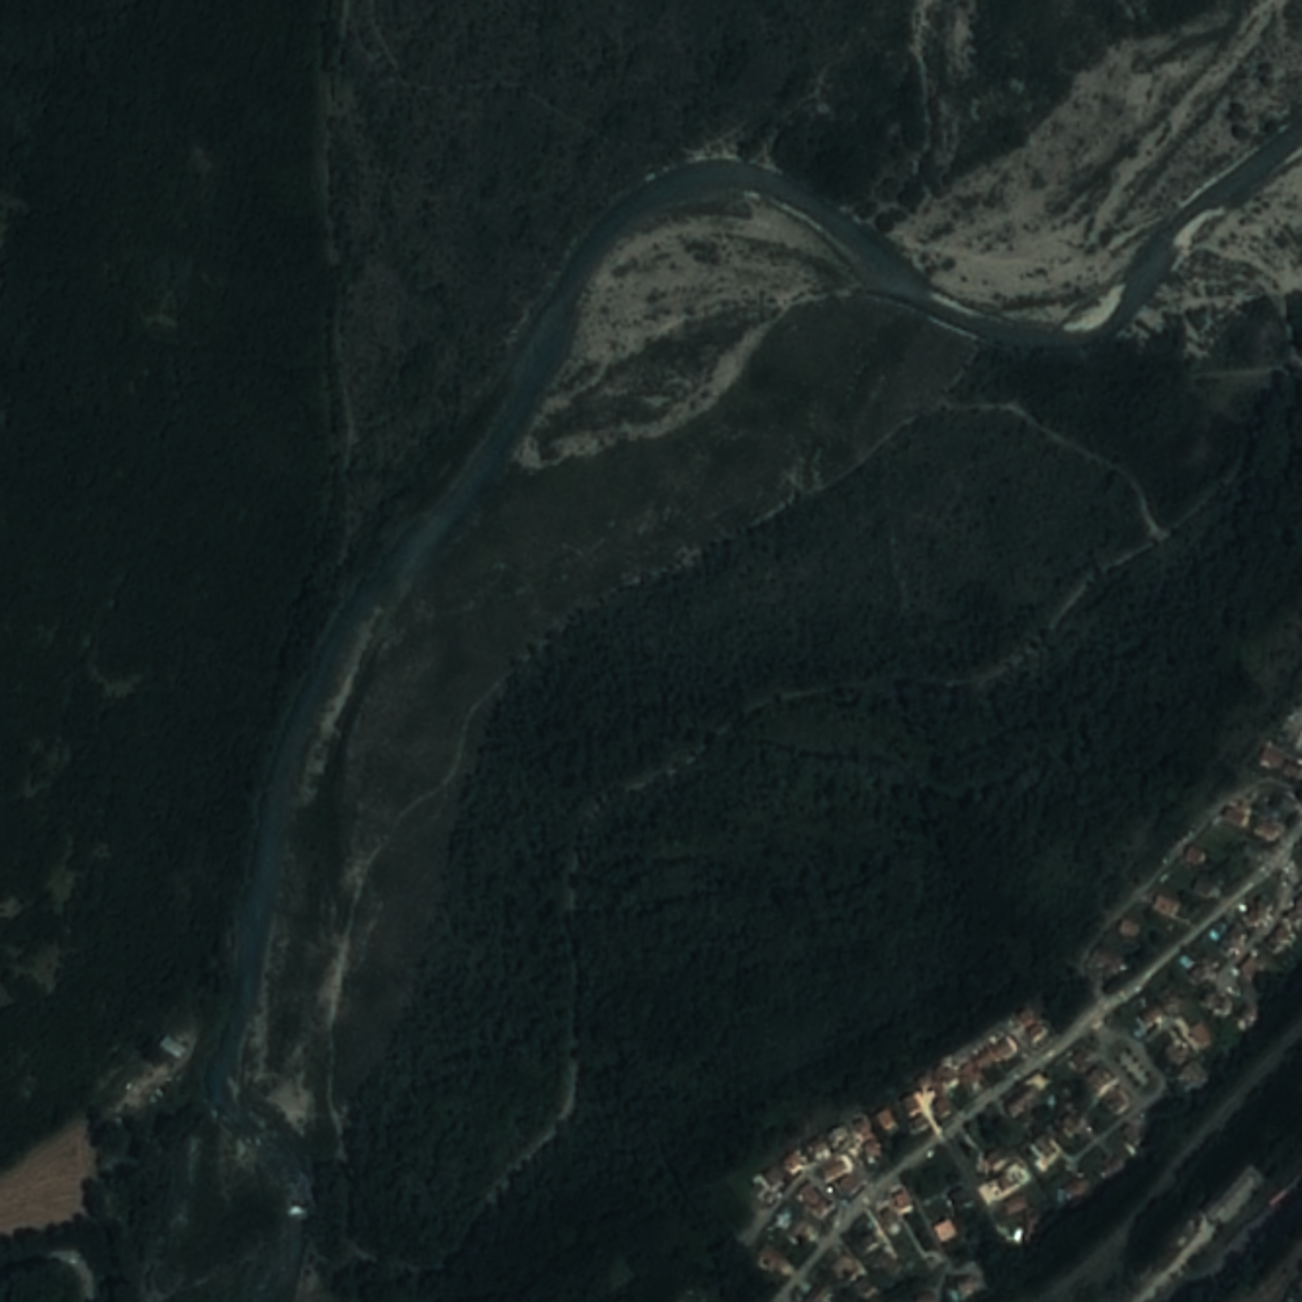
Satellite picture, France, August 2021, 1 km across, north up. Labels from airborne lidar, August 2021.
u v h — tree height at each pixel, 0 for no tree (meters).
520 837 15
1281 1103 12
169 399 11
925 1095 0
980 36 5
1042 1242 13
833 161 9
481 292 0
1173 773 17
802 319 0
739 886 17
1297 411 21
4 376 11
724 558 7
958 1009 13
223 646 8
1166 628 20
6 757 11
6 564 12
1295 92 0
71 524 15
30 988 7
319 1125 0
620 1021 25
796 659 11
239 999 0
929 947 9
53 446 14
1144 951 9
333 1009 0
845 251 0
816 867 8
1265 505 22
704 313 0
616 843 25
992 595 12
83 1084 12
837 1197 0
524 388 0
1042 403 7
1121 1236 0
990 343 9
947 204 0
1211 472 6
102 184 12
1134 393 11
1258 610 24
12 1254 20
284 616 11
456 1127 11
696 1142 20
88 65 22
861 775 15
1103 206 0
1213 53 0
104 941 12
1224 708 25
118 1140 29
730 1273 21
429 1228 16
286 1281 0
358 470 10
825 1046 6
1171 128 0
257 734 12
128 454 11
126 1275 9
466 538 0
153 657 9
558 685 11
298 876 0
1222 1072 8
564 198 6
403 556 0
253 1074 0
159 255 10
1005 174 0
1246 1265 20
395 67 7
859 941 9
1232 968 0
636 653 10
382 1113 19
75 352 13
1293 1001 13
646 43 6
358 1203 12
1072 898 7
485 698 0
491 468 0
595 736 17
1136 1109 0
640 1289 12
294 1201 0
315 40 7
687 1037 20
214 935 15
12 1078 6
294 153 14
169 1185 7
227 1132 0
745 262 0
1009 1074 0
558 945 15
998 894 13
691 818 20
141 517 11
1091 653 16
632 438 0
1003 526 6
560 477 0
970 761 22
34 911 8
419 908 0
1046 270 0
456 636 0
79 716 9
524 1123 13
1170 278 0
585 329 0
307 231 14
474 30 7
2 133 16
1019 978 12
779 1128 9
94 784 12
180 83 13
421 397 7
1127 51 0
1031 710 19
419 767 0
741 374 0
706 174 0
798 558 7
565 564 0
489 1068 17
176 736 15
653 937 20
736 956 18
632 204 0
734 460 0
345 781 0
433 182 7
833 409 0
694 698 16
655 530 0
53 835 10
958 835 16
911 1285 7
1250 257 0
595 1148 16
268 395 10
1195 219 0
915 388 0
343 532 12
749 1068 6
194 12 15
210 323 9
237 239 12
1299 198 0
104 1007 11
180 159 10
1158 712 27
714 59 6
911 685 20
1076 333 0
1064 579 9
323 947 0
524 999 6
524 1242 19
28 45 11
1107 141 0
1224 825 0
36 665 12
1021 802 17
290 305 13
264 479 11
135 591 9
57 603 9
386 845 0
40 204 12
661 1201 11
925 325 0
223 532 10
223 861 13
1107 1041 0
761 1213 0
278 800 0
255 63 10
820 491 6
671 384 0
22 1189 0
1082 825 10
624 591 7
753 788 19
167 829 14
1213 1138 8
